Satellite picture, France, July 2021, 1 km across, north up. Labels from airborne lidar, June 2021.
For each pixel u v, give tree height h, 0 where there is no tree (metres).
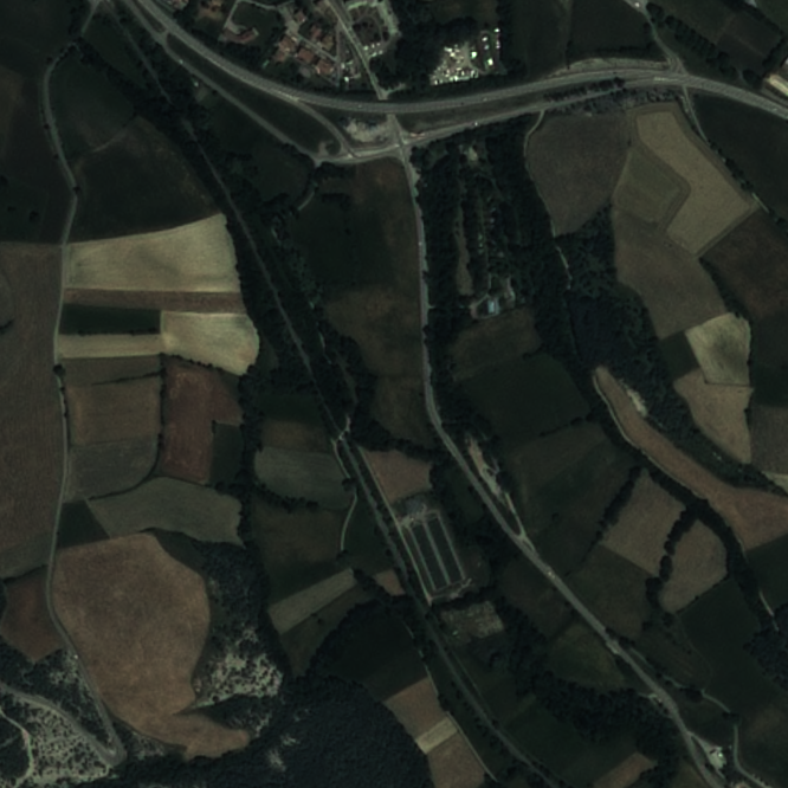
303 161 15
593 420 13
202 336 0
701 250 0
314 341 7
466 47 0
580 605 0
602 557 0
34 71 0
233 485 12
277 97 0
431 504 0
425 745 0
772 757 0
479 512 0
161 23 0
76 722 0
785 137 0
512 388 0
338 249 0
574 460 0
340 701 9
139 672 0
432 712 0
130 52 9
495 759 0
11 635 0
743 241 0
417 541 0
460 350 0
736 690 0
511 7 7
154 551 0
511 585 0
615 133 0
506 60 13
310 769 10
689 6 0
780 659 9
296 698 11
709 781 0
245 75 0
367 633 0
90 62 11
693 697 15
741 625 0
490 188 19
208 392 0
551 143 0
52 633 0
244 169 19
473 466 9
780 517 0
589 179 0
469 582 0
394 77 14
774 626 8
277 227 13
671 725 9
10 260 0
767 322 0
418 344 0
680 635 0
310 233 0
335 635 17
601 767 0
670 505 0
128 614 0
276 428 0
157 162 0
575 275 12
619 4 0
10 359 0
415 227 0
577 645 0
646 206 0
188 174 0
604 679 0
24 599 0
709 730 0
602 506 0
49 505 0
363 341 0
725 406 0
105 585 0
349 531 0
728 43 0
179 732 0
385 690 0
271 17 0
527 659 23
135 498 0
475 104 0
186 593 0
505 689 0
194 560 0
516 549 13
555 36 0
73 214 0
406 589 14
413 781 13
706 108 0
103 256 0
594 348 21
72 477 0
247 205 11
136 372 0
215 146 17
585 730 16
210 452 0
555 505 0
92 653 0
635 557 0
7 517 0
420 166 15
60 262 0
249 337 0
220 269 0
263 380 14
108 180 0
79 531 0
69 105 0
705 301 0
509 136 7
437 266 7
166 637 0
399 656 0
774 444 0
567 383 0
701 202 0
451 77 0
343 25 0
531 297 16
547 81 0
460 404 21
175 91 18
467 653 0
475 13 0
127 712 0
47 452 0
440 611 8
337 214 0
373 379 18
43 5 0
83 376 0
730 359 0
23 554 0
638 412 0
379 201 0
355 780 6
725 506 0
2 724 7
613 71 0
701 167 0
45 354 0
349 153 0
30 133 0
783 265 0
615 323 14
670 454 0
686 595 0
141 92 16
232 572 9
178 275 0
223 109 0
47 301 0
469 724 0
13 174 0
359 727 9
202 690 0
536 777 16
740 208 0
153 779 10
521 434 0
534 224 8
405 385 0
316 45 0
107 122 0
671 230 0
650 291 0
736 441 0
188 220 0
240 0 0
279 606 0
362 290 0
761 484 8
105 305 0
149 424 0
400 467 0
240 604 9
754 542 0
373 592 16
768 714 0
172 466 0
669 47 0
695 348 0
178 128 18
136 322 0
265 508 0
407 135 0
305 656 0
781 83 0
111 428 0
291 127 0
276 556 0
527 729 0
